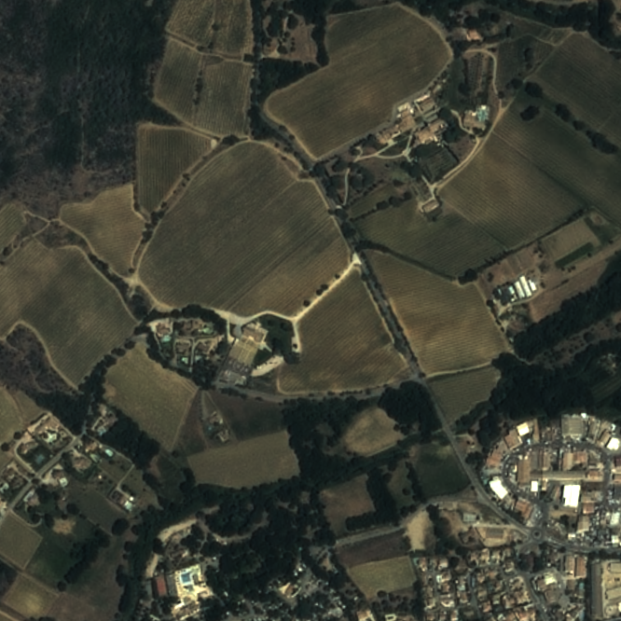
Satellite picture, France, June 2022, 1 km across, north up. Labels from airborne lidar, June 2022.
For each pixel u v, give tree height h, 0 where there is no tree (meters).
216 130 0
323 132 0
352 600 8
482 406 6
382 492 12
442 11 9
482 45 9
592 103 0
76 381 0
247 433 0
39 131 7
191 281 0
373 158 0
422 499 15
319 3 17
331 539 13
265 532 11
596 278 0
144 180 0
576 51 0
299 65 12
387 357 0
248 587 12
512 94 0
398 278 0
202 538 11
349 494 0
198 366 15
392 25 0
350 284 0
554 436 0
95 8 6
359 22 0
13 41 7
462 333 0
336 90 0
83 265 0
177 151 0
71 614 0
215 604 12
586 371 6
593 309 15
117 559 0
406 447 6
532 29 0
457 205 0
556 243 0
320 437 15
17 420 0
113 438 15
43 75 7
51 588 0
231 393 12
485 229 0
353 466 12
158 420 0
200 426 0
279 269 0
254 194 0
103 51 6
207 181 0
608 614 0
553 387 15
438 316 0
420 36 0
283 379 0
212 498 18
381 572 0
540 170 0
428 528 0
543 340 9
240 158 0
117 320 0
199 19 0
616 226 0
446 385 0
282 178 0
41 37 13
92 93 13
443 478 0
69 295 0
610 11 29
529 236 0
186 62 0
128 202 0
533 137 0
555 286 0
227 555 11
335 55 0
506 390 12
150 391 0
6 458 0
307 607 13
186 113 0
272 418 0
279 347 17
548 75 0
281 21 7
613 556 7
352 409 7
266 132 8
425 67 0
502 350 0
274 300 0
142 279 0
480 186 0
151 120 7
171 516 11
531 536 0
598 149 19
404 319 0
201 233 0
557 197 0
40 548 0
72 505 10
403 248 0
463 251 0
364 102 0
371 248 15
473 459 11
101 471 6
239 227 0
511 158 0
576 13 18
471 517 0
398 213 0
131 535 0
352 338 0
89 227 0
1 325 0
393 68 0
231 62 0
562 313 11
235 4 0
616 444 0
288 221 0
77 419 8
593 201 0
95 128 6
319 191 0
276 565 17
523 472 0
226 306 0
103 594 0
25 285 0
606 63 0
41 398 9
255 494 14
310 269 0
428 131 0
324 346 0
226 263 0
